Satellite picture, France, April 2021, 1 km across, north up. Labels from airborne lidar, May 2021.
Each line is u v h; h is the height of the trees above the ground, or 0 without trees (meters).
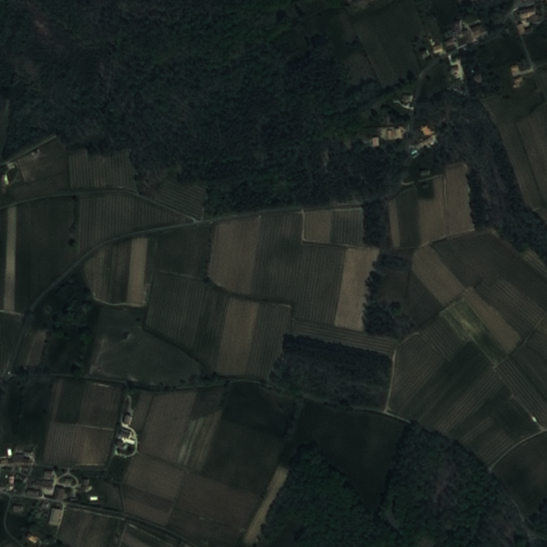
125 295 0
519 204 22
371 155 18
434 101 11
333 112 19
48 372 13
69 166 0
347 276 0
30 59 8
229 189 14
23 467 9
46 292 0
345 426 0
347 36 0
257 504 0
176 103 14
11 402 0
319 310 0
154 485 0
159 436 0
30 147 13
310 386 11
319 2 0
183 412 0
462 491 19
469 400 0
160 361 0
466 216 0
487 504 21
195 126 21
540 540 22
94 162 0
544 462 0
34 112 8
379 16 0
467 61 13
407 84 10
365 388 7
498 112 0
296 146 20
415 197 0
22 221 0
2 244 0
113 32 16
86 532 0
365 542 19
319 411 0
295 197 10
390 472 0
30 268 0
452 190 0
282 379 17
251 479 0
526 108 0
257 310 0
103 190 0
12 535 0
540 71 0
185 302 0
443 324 0
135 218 0
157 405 0
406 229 0
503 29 14
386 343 0
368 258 0
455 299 0
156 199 0
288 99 21
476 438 0
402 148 11
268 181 20
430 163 0
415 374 0
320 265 0
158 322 0
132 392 15
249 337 0
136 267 0
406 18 0
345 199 16
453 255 0
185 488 0
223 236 0
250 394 0
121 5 13
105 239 0
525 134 0
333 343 0
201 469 0
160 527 0
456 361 0
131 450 12
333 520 21
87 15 13
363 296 0
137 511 0
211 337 0
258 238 0
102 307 0
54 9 17
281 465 0
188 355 0
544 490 0
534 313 0
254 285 0
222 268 0
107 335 0
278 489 0
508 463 0
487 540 14
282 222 0
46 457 0
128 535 0
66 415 0
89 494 0
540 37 0
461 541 18
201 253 0
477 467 21
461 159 8
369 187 16
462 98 8
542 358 0
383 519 15
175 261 0
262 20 21
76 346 0
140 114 12
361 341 0
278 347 0
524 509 0
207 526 0
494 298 0
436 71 0
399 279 0
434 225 0
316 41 9
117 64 11
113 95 12
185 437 0
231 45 17
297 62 0
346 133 23
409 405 0
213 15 12
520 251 13
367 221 11
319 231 0
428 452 21
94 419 0
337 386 15
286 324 0
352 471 0
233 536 0
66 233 0
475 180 13
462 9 6
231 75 24
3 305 0
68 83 13
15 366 0
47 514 6
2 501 0
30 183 0
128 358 0
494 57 0
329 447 0
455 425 0
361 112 23
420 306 0
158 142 8
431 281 0
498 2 13
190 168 18
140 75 19
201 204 0
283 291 0
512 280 0
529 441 0
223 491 0
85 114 14
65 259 0
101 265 0
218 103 19
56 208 0
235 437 0
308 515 23
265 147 21
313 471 23
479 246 0
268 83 21
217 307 0
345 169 21
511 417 0
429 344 0
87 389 0
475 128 16
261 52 20
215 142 27
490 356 0
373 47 0
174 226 0
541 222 11
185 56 14
